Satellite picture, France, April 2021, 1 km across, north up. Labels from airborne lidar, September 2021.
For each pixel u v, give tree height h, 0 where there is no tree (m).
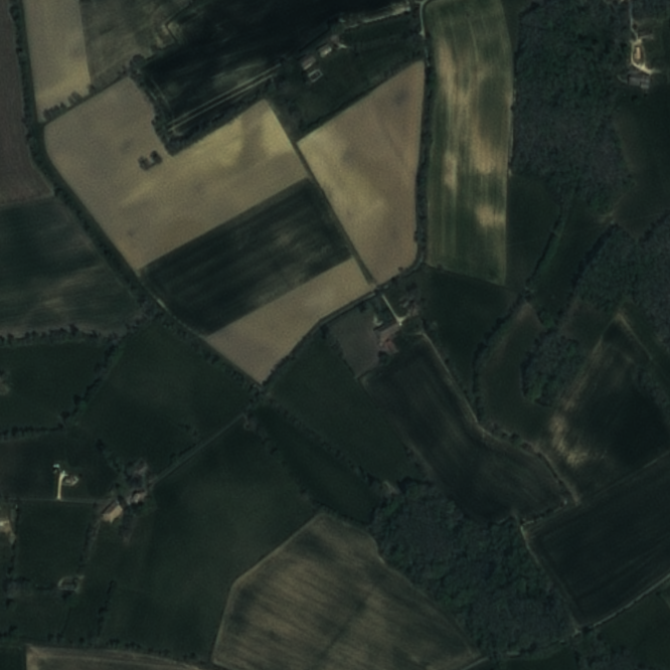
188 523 0
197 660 13
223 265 0
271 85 15
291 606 0
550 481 0
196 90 0
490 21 0
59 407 0
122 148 0
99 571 0
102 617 9
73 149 0
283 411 8
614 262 24
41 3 0
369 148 0
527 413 0
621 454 0
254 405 12
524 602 22
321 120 6
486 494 0
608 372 0
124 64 0
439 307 0
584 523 0
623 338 0
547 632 25
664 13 18
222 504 0
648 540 0
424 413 0
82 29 0
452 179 0
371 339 0
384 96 0
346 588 0
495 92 0
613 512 0
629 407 0
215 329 0
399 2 0
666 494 0
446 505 23
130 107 0
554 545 0
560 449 0
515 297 0
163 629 0
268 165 0
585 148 16
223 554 0
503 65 0
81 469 0
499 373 0
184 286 0
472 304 0
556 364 14
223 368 10
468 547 15
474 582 21
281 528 0
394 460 0
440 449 0
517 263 0
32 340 13
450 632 0
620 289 24
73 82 0
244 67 0
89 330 0
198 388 0
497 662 13
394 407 0
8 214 0
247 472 0
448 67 0
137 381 0
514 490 0
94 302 0
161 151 0
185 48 0
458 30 0
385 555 14
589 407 0
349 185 0
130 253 0
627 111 0
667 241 20
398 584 0
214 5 0
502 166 0
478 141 0
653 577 0
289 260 0
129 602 0
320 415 0
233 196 0
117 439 0
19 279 0
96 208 0
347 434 0
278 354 0
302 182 0
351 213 0
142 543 0
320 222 0
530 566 23
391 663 0
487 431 12
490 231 0
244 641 0
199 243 0
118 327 0
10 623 0
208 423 0
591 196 18
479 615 21
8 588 18
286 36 0
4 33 0
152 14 0
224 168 0
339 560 0
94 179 0
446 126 0
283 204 0
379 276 0
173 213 0
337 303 0
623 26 18
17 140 0
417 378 0
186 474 0
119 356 15
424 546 21
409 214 0
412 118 0
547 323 18
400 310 0
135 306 0
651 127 0
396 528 14
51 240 0
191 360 0
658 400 18
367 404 0
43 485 0
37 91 0
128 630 0
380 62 0
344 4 0
